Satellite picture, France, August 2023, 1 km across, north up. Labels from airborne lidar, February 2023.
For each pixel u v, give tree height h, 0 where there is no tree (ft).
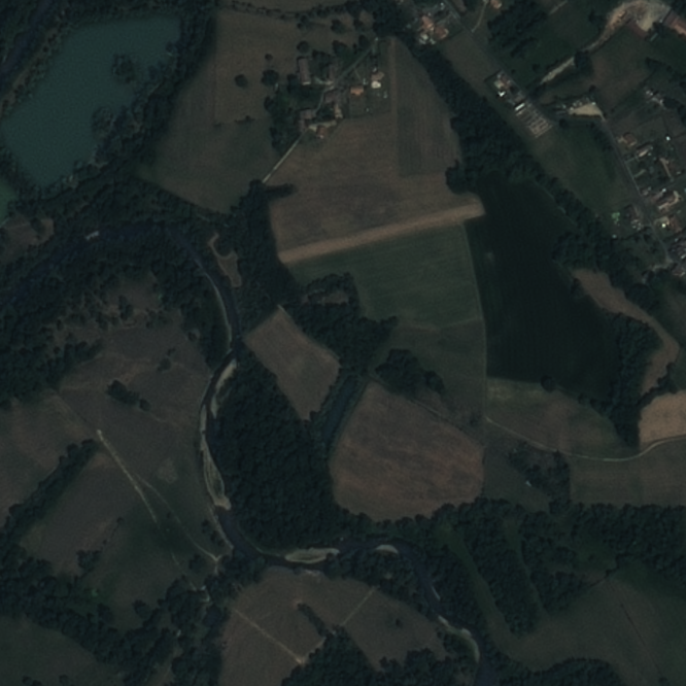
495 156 50
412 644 0
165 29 0
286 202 0
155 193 40
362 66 0
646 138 0
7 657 0
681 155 0
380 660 0
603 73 0
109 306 49
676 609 0
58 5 30
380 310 0
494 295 0
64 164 0
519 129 0
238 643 0
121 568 0
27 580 47
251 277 43
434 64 55
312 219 0
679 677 0
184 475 0
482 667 0
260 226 47
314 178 0
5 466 0
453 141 0
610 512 59
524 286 0
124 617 0
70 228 63
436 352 0
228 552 0
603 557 0
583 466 0
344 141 0
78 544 0
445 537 0
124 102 0
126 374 0
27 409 0
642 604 0
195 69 50
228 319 0
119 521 22
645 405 34
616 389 64
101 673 0
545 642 0
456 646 36
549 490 22
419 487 0
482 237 0
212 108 0
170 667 0
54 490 49
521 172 84
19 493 0
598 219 17
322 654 40
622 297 0
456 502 0
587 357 0
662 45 0
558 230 0
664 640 0
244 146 0
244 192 0
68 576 0
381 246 0
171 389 0
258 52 0
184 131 0
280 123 21
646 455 0
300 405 0
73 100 0
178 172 0
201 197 0
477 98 59
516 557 54
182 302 54
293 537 71
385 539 0
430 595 0
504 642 0
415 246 0
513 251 0
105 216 76
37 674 0
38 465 0
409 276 0
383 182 0
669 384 40
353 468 0
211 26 62
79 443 0
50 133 0
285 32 0
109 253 83
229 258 0
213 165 0
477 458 0
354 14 61
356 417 0
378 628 0
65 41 0
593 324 0
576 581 52
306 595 0
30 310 110
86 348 51
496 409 0
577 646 0
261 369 70
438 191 0
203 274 50
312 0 0
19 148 0
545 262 0
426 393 0
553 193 22
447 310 0
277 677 0
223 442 74
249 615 0
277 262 47
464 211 0
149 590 0
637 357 75
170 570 0
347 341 75
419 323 0
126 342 0
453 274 0
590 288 0
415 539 71
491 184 0
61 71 0
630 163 0
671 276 56
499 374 0
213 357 41
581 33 0
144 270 71
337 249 0
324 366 0
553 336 0
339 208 0
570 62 0
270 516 60
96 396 0
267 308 25
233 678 0
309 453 64
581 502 0
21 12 83
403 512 0
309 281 0
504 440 0
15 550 51
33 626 0
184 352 0
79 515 0
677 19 0
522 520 41
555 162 0
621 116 0
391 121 0
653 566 57
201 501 0
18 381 81
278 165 0
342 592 0
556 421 0
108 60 0
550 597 52
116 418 0
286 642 0
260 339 0
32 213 59
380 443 0
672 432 0
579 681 51
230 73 0
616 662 0
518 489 0
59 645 0
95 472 0
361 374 40
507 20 60
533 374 0
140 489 0
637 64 0
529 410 0
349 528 56
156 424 0
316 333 44
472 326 0
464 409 0
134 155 39
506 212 0
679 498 0
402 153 0
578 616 0
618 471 0
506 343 0
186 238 0
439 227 0
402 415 0
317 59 47
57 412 0
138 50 0
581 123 0
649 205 0
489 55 0
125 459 0
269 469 52
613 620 0
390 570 74
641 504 0
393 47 0
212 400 0
